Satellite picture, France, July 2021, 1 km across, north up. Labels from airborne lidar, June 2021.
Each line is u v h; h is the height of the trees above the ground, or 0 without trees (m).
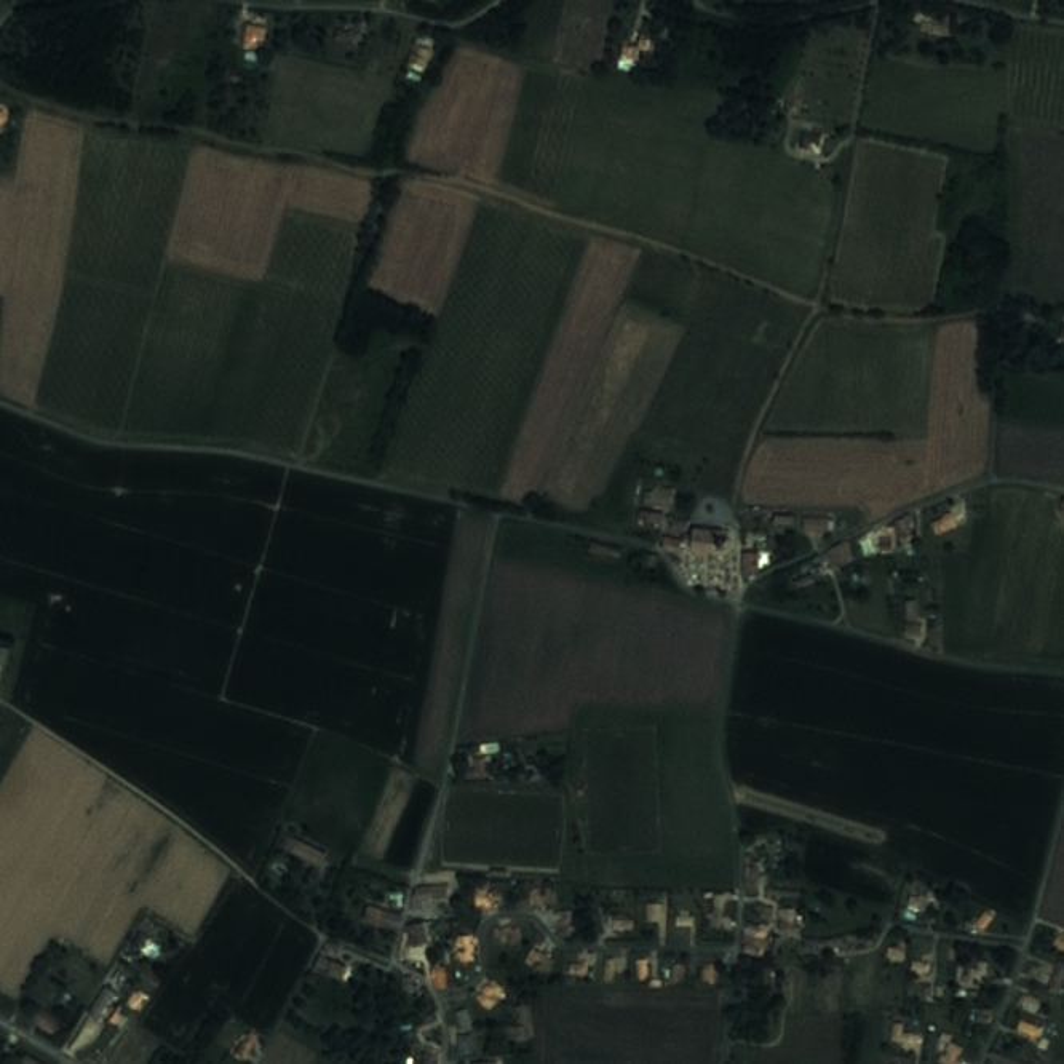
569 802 0
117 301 0
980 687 0
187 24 0
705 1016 0
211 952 0
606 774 0
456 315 0
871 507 0
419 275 0
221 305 0
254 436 0
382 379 0
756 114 10
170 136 12
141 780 0
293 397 0
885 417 0
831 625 0
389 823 0
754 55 10
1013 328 18
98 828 0
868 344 0
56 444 0
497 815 0
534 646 0
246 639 0
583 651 0
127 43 8
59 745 0
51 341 0
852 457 0
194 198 0
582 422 0
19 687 0
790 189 0
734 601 0
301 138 0
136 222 0
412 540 0
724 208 0
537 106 0
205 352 0
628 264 0
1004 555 0
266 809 0
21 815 0
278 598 0
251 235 0
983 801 0
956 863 0
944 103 0
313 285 0
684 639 0
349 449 0
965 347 0
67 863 0
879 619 0
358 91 0
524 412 0
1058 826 0
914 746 0
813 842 0
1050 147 0
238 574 0
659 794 0
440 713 0
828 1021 0
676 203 0
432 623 0
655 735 0
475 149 0
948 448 0
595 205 0
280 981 0
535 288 0
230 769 0
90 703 0
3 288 0
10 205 0
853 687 0
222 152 0
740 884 0
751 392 0
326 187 0
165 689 0
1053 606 0
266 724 0
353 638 0
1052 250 0
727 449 0
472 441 0
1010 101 0
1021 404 0
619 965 0
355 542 0
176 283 0
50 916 0
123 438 0
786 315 0
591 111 0
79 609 0
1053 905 0
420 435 0
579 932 9
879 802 0
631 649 0
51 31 8
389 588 0
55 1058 0
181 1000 0
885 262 0
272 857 7
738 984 12
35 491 0
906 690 0
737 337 0
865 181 0
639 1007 0
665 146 0
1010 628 0
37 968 8
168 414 0
